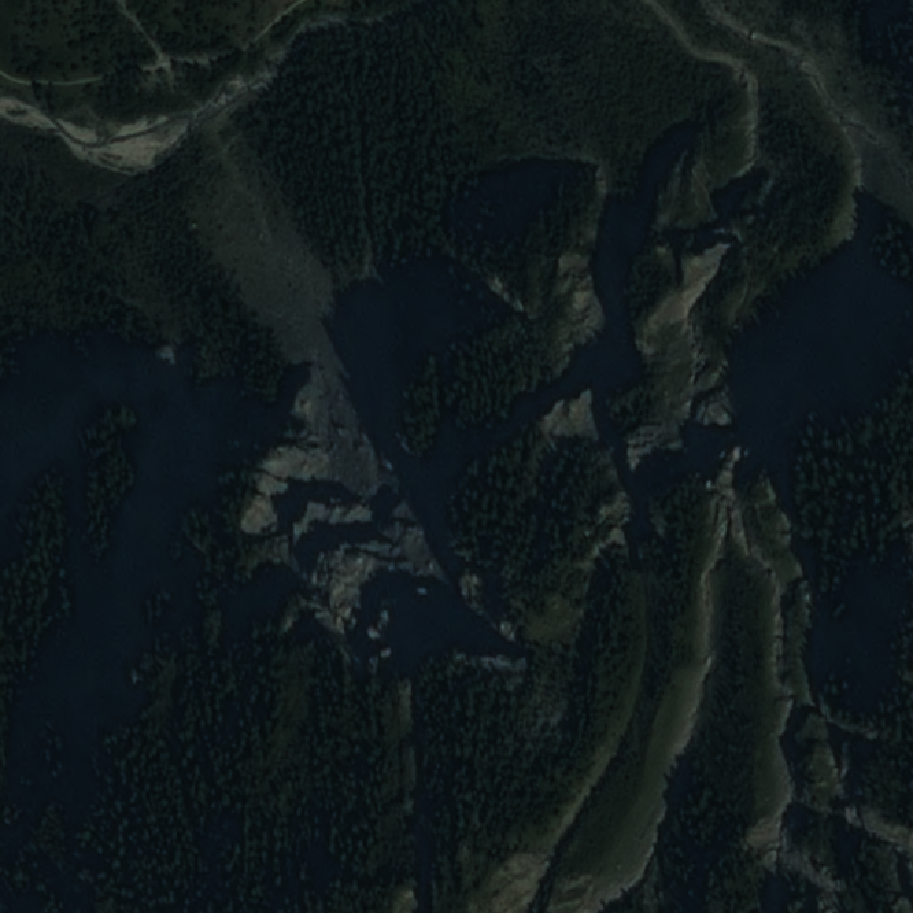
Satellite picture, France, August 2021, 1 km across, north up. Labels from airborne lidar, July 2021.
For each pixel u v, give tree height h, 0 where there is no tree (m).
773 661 0
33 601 26
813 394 8
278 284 0
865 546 19
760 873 7
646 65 7
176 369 0
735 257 7
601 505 7
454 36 27
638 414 9
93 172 7
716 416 0
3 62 0
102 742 25
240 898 14
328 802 9
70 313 6
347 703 18
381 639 0
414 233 29
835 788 0
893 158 0
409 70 28
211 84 15
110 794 20
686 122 0
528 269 6
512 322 11
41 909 8
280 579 0
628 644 15
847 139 0
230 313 16
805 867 0
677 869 7
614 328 0
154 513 0
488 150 6
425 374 55
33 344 6
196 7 11
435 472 7
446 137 11
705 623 0
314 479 0
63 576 24
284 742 0
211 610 8
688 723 0
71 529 9
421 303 10
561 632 0
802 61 0
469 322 16
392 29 17
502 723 11
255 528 0
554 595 15
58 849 6
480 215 12
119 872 8
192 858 13
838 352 8
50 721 10
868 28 6
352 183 7
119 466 9
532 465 24
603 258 0
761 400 0
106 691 5
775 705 0
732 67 0
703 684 0
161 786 13
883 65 16
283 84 14
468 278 10
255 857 10
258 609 28
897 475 21
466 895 7
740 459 0
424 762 10
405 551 0
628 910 7
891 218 7
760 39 0
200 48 11
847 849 6
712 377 0
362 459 0
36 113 0
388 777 6
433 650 0
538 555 13
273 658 9
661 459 7
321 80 14
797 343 0
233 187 0
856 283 0
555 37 6
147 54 7
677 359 0
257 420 0
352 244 12
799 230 8
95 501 21
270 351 7
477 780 16
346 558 0
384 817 10
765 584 0
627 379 0
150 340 12
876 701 8
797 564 0
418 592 0
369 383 0
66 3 11
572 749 11
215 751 15
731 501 0
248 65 7
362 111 15
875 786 7
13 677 10
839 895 0
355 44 14
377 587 0
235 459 9
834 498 6
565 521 13
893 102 9
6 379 11
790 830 0
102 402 10
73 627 13
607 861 0
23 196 23
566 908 0
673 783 0
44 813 15
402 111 15
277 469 0
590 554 6
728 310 0
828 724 0
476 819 21
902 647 12
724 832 6
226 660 9
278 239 0
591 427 0
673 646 10
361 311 0
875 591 0
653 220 8
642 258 14
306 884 11
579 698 11
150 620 9
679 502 13
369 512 0
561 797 7
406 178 11
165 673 8
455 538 14
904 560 19
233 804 9
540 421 9
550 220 6
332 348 0
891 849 0
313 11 9
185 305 7
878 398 13
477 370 24
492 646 0
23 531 21
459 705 22
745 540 0
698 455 0
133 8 8
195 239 6
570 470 12
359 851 17
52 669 7
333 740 10
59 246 19
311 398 0
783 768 0
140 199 7
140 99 9
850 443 18
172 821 12
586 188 6
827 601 6
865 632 17
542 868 0
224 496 14
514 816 11
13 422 0
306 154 16
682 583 9
